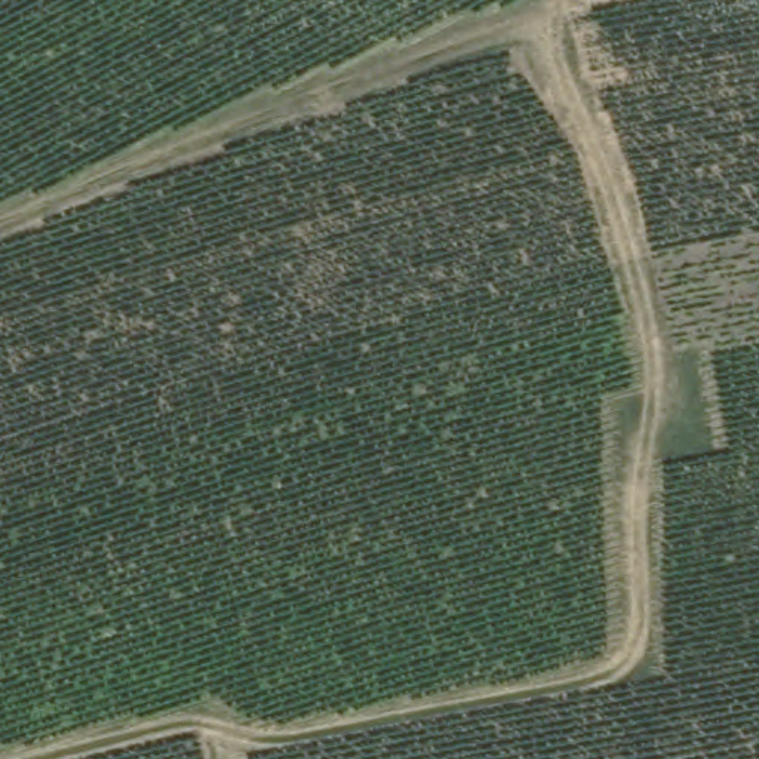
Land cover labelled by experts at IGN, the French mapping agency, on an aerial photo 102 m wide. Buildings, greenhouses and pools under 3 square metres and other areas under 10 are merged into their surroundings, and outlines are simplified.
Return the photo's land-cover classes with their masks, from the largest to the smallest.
<instances>
[{"label":"vineyard","instance_id":"1","mask_svg":"<svg viewBox=\"0 0 759 759\"><path fill-rule=\"evenodd\" d=\"M0 759H759V0H0Z\"/></svg>","mask_w":759,"mask_h":759}]
</instances>
